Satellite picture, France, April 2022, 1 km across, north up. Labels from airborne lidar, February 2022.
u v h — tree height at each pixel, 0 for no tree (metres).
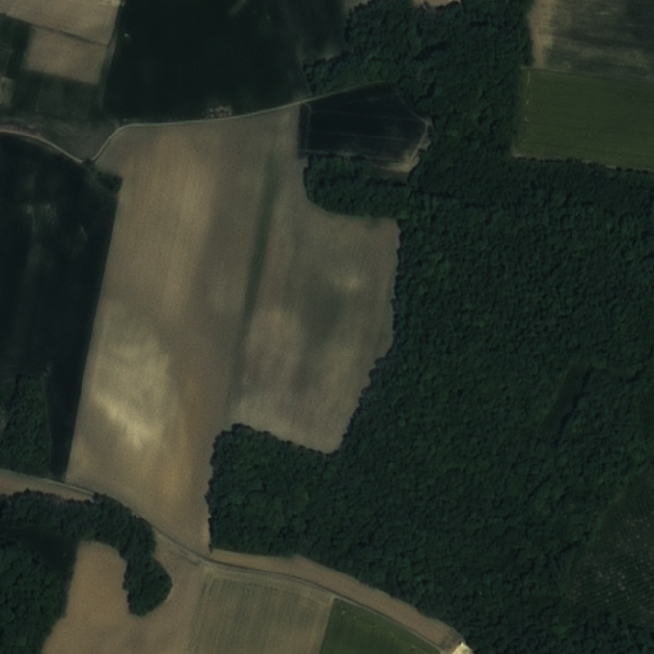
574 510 17
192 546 0
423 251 24
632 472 26
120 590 0
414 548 22
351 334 0
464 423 23
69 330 0
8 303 0
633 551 0
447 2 0
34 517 19
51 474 0
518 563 26
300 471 18
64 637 0
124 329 0
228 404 0
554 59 0
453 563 18
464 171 11
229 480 22
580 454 22
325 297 0
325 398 0
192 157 0
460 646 0
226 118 0
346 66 23
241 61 0
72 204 0
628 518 0
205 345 0
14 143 0
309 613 0
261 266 0
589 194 11
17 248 0
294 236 0
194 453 0
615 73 0
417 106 14
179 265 0
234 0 0
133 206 0
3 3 0
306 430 0
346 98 0
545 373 19
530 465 21
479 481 19
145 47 0
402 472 19
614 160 0
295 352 0
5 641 31
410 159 0
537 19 0
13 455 9
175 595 0
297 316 0
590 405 18
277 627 0
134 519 17
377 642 0
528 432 20
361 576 25
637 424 20
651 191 9
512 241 23
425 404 23
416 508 19
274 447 18
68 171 0
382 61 18
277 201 0
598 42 0
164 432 0
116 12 0
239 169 0
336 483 21
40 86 0
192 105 0
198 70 0
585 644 17
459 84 21
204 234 0
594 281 20
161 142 0
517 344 19
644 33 0
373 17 13
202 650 0
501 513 26
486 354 21
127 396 0
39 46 0
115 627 0
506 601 19
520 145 0
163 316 0
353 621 0
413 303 24
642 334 8
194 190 0
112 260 0
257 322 0
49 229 0
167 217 0
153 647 0
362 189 25
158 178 0
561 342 21
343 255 0
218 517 17
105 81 0
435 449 23
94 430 0
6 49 0
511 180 11
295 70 0
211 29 0
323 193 19
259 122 0
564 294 24
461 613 16
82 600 0
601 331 21
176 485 0
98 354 0
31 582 23
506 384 26
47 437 13
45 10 0
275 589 0
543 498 28
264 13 0
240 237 0
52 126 0
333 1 0
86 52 0
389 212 20
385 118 0
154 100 0
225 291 0
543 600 6
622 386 16
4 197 0
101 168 0
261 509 33
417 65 24
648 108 0
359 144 0
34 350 0
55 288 0
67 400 0
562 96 0
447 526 18
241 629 0
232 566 0
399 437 21
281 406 0
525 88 0
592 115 0
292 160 0
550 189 10
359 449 19
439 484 15
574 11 0
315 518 24
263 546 22
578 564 19
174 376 0
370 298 0
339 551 23
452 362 25
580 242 23
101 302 0
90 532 27
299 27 0
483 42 21
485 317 26
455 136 23
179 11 0
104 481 0
